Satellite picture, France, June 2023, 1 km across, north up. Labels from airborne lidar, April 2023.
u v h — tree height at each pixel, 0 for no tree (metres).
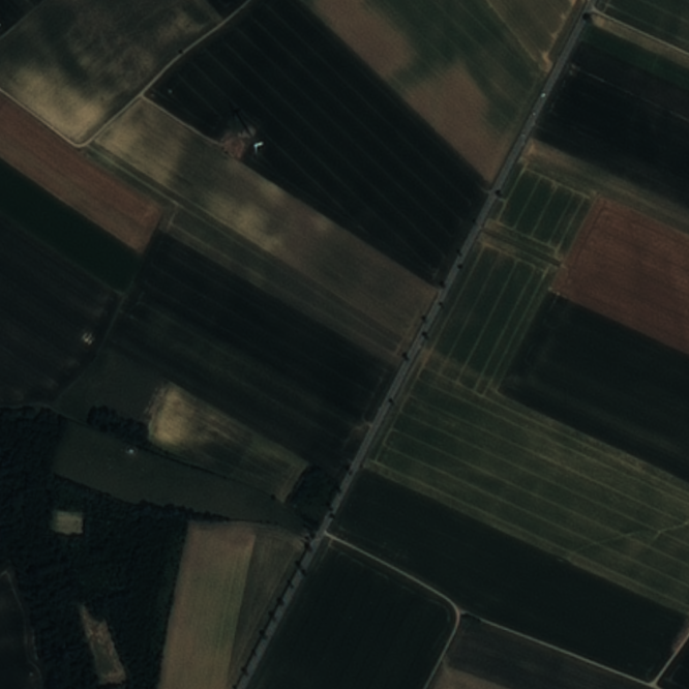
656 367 0
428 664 0
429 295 0
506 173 0
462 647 0
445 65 0
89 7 0
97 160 0
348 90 0
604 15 0
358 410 0
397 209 0
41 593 19
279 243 0
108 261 0
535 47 0
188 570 0
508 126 0
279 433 0
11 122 0
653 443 0
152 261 0
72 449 0
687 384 0
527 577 0
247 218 0
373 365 0
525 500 0
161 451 5
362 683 0
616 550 0
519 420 0
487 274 0
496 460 0
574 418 0
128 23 0
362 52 0
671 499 0
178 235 0
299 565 10
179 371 0
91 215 0
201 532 0
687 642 0
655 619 0
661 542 0
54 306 0
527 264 0
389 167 0
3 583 0
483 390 0
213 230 0
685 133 0
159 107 0
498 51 0
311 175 0
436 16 0
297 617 0
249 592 0
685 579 0
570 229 0
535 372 0
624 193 0
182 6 0
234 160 0
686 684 0
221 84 0
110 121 0
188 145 0
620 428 0
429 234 0
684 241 0
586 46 0
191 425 0
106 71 0
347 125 0
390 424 0
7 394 0
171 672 0
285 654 0
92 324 0
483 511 0
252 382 0
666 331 0
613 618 0
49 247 0
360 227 0
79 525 0
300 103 0
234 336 0
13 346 0
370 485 0
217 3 0
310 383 0
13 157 0
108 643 0
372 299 0
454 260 0
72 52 0
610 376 0
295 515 0
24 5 0
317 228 0
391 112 0
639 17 0
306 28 0
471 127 0
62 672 29
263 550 0
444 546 0
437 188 0
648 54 0
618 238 0
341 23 0
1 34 0
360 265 0
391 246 0
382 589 0
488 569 0
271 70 0
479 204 0
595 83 0
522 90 0
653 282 0
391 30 0
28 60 0
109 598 13
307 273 0
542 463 0
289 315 0
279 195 0
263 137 0
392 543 0
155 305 0
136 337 0
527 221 0
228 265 0
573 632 0
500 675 0
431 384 0
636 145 0
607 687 0
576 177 0
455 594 0
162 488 0
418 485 0
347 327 0
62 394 0
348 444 0
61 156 0
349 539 0
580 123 0
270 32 0
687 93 0
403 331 0
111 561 8
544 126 0
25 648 0
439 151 0
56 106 0
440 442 0
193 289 0
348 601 0
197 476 0
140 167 0
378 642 0
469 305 0
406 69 0
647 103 0
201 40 0
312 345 0
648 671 0
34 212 0
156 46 0
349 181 0
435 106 0
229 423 0
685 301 0
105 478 0
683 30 0
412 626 0
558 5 0
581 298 0
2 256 0
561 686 0
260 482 0
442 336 0
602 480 0
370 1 0
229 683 0
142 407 0
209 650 0
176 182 0
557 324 0
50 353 0
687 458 0
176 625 0
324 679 0
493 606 0
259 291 0
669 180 0
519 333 0
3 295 0
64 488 14
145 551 10
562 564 0
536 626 0
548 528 0
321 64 0
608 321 0
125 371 0
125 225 0
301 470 0
